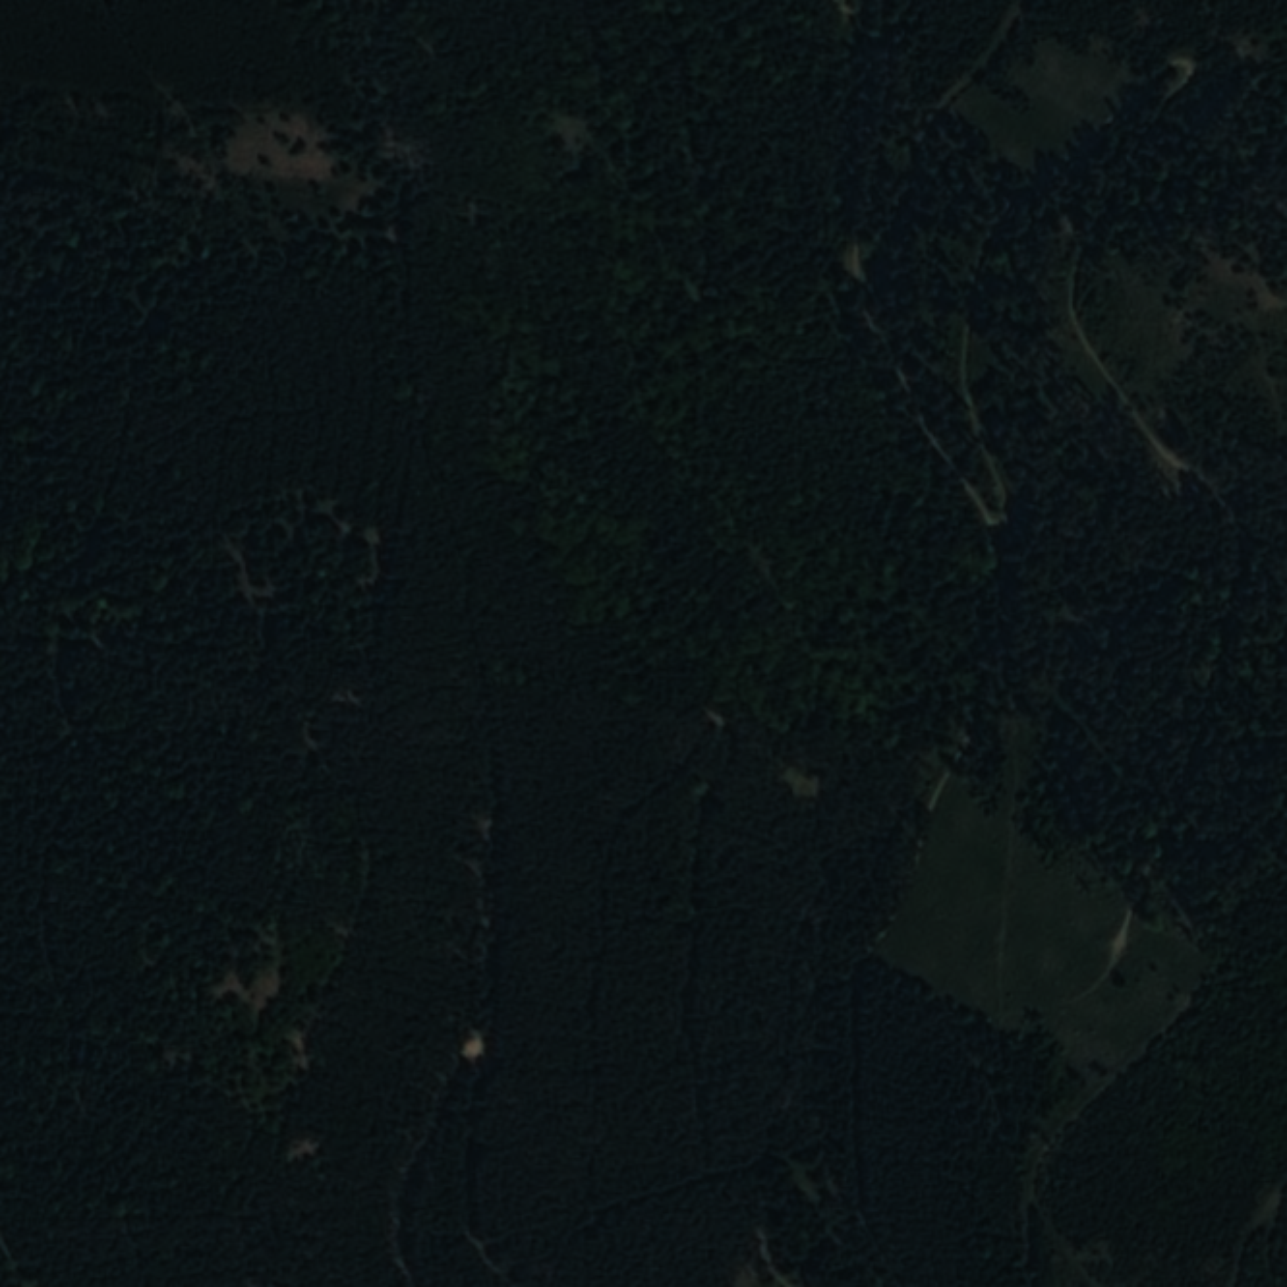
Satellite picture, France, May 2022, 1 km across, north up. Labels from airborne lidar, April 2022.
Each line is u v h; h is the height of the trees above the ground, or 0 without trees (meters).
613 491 19
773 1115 30
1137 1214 8
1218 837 29
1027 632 35
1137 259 7
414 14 21
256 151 0
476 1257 26
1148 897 32
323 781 18
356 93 9
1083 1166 8
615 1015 30
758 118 16
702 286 24
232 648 23
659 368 10
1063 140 0
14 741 24
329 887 18
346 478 17
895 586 10
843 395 11
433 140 17
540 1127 25
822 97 29
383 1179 23
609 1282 26
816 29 18
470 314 17
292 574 18
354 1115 19
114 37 14
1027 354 39
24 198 30
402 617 19
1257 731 8
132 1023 16
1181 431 29
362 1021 19
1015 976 0
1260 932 9
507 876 28
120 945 17
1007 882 0
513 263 21
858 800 30
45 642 23
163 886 16
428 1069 16
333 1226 18
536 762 30
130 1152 18
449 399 21
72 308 25
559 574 19
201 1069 16
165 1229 20
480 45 23
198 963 14
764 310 26
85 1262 15
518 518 22
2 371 21
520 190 16
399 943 17
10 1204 18
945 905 0
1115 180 33
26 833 28
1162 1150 7
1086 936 0
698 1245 24
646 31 28
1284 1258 8
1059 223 11
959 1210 24
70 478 19
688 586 19
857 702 21
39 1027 17
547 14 26
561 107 18
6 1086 14
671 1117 26
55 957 19
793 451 14
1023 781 0
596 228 19
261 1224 19
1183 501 36
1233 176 18
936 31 13
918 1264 25
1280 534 33
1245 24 9
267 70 12
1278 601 30
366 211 6
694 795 9
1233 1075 7
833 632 25
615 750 28
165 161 6
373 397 17
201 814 22
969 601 23
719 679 20
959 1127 25
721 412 16
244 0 13
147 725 22
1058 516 37
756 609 22
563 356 23
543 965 26
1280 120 24
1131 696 35
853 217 41
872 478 13
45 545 23
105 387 19
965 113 0
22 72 17
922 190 23
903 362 18
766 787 28
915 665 24
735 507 10
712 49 23
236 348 21
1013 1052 16
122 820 22
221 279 12
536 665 23
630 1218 25
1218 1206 7
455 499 21
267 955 9
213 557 21
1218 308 0
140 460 22
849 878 28
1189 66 0
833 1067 30
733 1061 33
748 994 31
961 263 10
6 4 17
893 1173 24
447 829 22
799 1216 27
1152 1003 0
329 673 19
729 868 33
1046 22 11
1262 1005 7
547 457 21
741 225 24
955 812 0
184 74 15
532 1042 29
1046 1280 16
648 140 26
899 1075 25
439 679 20
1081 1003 0
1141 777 35
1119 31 9
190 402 20
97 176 13
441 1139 17
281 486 17
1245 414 9
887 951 0
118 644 24
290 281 21
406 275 19
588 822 26
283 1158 11
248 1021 8
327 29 10
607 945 28
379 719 20
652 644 25
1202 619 27
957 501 10
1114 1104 7
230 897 19
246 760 20
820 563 17
